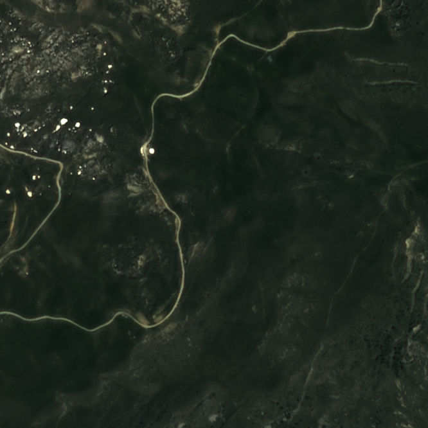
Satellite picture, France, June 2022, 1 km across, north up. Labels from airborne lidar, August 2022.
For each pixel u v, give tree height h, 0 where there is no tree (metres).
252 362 0
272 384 0
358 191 0
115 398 0
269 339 0
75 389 0
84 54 0
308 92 0
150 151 0
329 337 0
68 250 0
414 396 0
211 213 0
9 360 0
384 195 0
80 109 0
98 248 0
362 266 0
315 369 0
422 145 0
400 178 0
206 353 0
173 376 0
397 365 11
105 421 0
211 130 0
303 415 0
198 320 0
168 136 0
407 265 0
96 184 0
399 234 0
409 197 0
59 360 0
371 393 0
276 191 0
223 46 0
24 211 0
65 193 0
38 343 0
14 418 0
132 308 0
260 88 0
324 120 0
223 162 0
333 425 0
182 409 0
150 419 0
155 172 0
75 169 0
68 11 0
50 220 0
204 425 0
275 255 0
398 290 0
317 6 0
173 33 0
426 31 0
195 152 0
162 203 0
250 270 0
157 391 0
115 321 0
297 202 0
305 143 0
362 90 0
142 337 0
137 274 0
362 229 0
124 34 0
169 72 0
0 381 0
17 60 0
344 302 0
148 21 0
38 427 0
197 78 0
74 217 0
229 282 0
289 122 0
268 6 0
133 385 0
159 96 0
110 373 0
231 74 0
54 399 0
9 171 0
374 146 0
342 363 0
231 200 0
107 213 0
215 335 0
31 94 0
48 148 0
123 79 0
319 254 0
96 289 0
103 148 0
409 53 0
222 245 0
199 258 0
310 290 0
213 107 0
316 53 0
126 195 0
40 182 0
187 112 0
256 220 0
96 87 0
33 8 0
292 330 0
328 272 0
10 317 0
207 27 0
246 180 0
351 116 0
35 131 0
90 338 0
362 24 0
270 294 0
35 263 0
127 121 0
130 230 0
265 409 0
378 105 0
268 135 0
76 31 0
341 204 0
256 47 0
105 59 0
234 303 0
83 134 0
